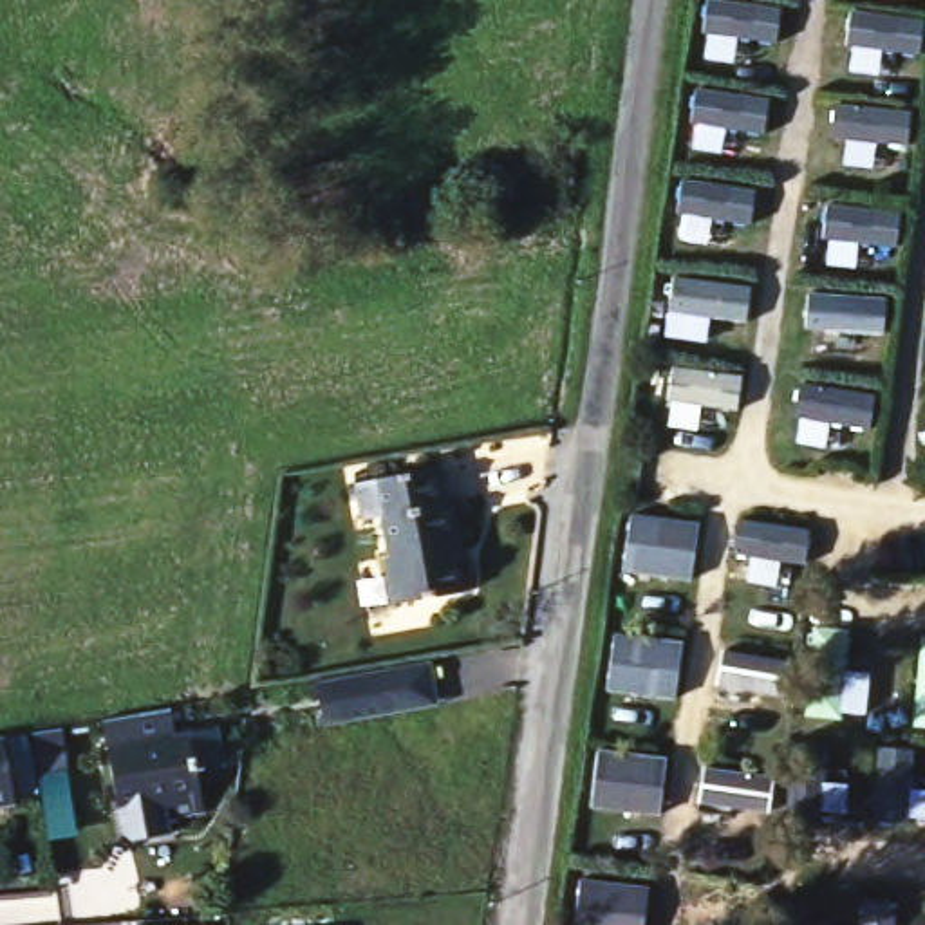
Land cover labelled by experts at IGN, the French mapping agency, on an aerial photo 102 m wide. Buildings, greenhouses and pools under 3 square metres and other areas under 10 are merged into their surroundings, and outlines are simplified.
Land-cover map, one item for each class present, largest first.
<instances>
[{"label":"agricultural land","instance_id":"1","mask_svg":"<svg viewBox=\"0 0 925 925\"><path fill-rule=\"evenodd\" d=\"M632 0H296L293 22L300 43L311 54V94L318 101V130L311 134V152L296 166V177L307 188L300 213L318 224V235H307L304 242L285 238L282 246L267 242L264 249L253 238L231 235L213 210L188 202V188L195 181V105L217 83L213 65L195 61L192 54V36L210 29L195 0H0V730L166 705L177 701L228 694L249 683V643L257 632H264L278 502L285 477V466L296 459H318L350 448L365 455V448L390 441L437 437L549 412L553 340L564 307L567 246L556 235H538L535 228L556 220L560 210L589 206V163L585 155L564 145L549 148L546 134L556 119V126L585 134L589 141L614 137ZM455 155H477L481 177L495 184V242H434L430 199L444 173L455 166Z\"/></svg>","mask_w":925,"mask_h":925},{"label":"herbaceous vegetation","instance_id":"2","mask_svg":"<svg viewBox=\"0 0 925 925\"><path fill-rule=\"evenodd\" d=\"M813 0H795V7H780L777 40L770 47L741 43L733 61L705 58L701 22L690 33L687 69L719 79L715 90L762 98L770 105L762 134H730L723 137V152L733 159H780V130L791 123L802 90V76L788 72L791 43L809 18ZM824 83L846 79L849 72L853 51L842 43V25L853 11L849 4L831 0H824ZM925 72V40L918 58L889 54L882 61V72L867 76L882 94H896L892 79H918ZM838 108L831 94L820 90L813 98V130L806 159L795 163V177L806 184L795 228L802 220L820 224V206L827 202L835 188H820L813 177L846 166V145L835 137ZM549 148L564 145L585 155L589 163V206L560 210L556 220L535 228L538 235H556L567 246L564 307L553 340L549 412L437 437L390 441L365 448V455L350 448L318 459H296L285 466V477H300L293 556L307 564V575L285 585L282 625L293 629L296 640L318 647L314 672H307L314 683L434 658L463 661V650L470 647L524 650L538 640L549 502L531 495L524 506L495 509L499 542L513 546L524 560L506 567L499 578L484 582L481 596L441 607L430 618V625L390 636L369 632L365 607L358 600V564L372 560L376 538L372 528L350 524V491L361 481L397 473L408 477L416 473V463H405V452H419V459L448 452L477 455V444L484 441L528 434H546L549 444H560V430H567L578 419L593 304L600 282L614 137L589 141L585 134L556 126V119L546 134ZM907 159V141L878 148L867 170L871 177L900 173ZM780 199L773 188H755L752 224H715L705 246H694L679 238L676 188L668 192V206L661 217L658 257L672 264L748 267L755 271V282L748 289L752 300L744 322H712L705 343L665 336V318L650 314V369L658 372L701 369L737 376V405L701 408L697 430L668 426V405L654 397L650 383L636 387L632 416L647 430V459L640 466V477L632 481L625 520H690L697 524V553L694 575L687 582L625 585L621 575L614 571L607 589L603 643L611 647V636L625 629L643 640H679L683 658L676 694L668 701L607 694V683H600L593 694L589 762L596 748H614V741L629 744L632 752L665 755L679 744L676 715L683 708V697L701 687L705 676L712 665L708 632L701 629L694 607L701 575L712 567H719L726 578V589L719 596L726 665L770 672L777 661L795 658V647L780 636L791 629V611L788 575L780 571L773 560L752 553H744L741 560L726 556L723 535L726 520L719 513L715 495L697 491L679 495L672 502L661 499L658 463L665 452H726L737 437L748 405H755L759 397L773 405L766 426V455L773 470L788 477L842 473L831 452H864L878 441V437L871 430H831L824 448L799 444V416L791 412V390H802L806 383L813 369L806 365L835 347L842 358L853 361H878L889 347L885 332L831 340L824 332H809L802 325V307L813 293V282L802 267L791 271L784 285H777V260L766 257L770 220ZM777 293L784 296L780 350L777 365L766 369L755 358V329L759 318L773 307ZM925 650V603L918 611H900L892 618L842 621H835L831 629V640L820 647L827 672L846 683L856 676L871 683L867 712L820 723L813 730L791 733V744L806 748L813 770L827 780L846 784V813L824 809L820 795H806L795 813L809 831L831 835L835 842L846 846L853 838L874 835L882 824H900L911 813V791H925V730L914 726V697L892 701V676L900 661ZM878 748L914 752V762L878 770ZM524 697L502 690L488 697L448 701L416 712H390L332 726L314 723L304 733L275 737L253 755V766L235 770L231 784L210 813V820L195 831H145L141 838H126L116 827V770L105 762V748H94L87 737L72 733L65 737V755L76 835L54 838L51 860L54 871L65 878H79V871L101 867L116 853L134 856L137 878L152 885L188 878L192 892L181 900V907L195 911L210 925H495L506 878V835L513 824ZM777 723V712H708V726L719 737L715 762L708 766L766 773V762L755 752L752 737ZM585 788L578 799L571 842L578 853L571 867L575 874L556 878L549 871L546 925H571L578 874L647 882V925H712L726 918V911L759 896L777 903L791 918V925H925V874L889 878L867 871L860 860L820 867L799 885H784L773 864L744 871L737 867V860L752 856L755 846L744 831L723 835L712 824H694L676 842H665L661 831L640 827L621 813H593L589 766L582 780ZM0 824L11 827V864H18V856H33L29 817H11V806L0 809Z\"/></svg>","mask_w":925,"mask_h":925},{"label":"building","instance_id":"3","mask_svg":"<svg viewBox=\"0 0 925 925\"><path fill-rule=\"evenodd\" d=\"M780 7H795V0H701V22L705 58L733 61L741 43L770 47L777 40ZM925 40V25L914 18H878L853 11L842 25V43L853 51L849 72L867 76L882 72V61L889 54L918 58ZM770 105L762 98L715 90L694 87L690 94V145L697 152H723V137L730 134H762ZM835 137L846 145V166L867 170L878 148L907 141V112H878L856 105L838 108ZM755 188L723 181H679L676 188L679 238L694 246H705L715 224H752ZM900 235V220L889 210L827 202L820 206V224L831 267H856L860 253L885 264ZM752 300L748 289L672 278L665 282V336L705 343L712 322H744ZM802 325L809 332H824L831 340L885 332L882 296L813 293L802 307ZM654 397L668 405V426L697 430L701 408L737 405V376L701 369L658 372L650 383ZM871 390L806 383L802 390H791V412L799 416V444L824 448L831 430H871ZM350 524L372 528L376 538L387 542V596L401 607L419 596H430L419 546V509L408 499V477L397 473L361 481L350 491ZM741 531L730 538L723 535L726 556L741 560L744 553H752L773 560L780 571L788 564H806L809 535L799 528L755 524L748 513H741ZM697 553V524L690 520H625L621 575L625 585L687 582L694 575ZM809 643L820 647L831 640V629H824L820 614L809 621ZM683 658L679 640H643L625 629L611 636V647L607 683V694L668 701L676 694ZM914 697V726L925 730V650L900 661L892 676V701ZM444 665H437L434 658L314 683L311 697L325 705V719L332 726L390 712H416L448 701L441 694ZM705 676L726 690H752L762 697L777 690V676L770 672L726 665H712ZM871 683L856 676L846 683L842 694L813 701L806 708V715L820 723L867 712ZM72 733L87 737L94 748H105V762L116 770V827L126 838H141L145 831H195L210 820V813L199 802V759L192 730L173 726V708L166 705L0 730V809L11 806L43 802L47 835L54 838L76 835L65 755V737ZM668 766L665 755L632 752L629 744L614 741V748H596L589 762V766L593 813H621L640 827L661 831L668 817V806L661 802ZM914 762V752L878 748V770ZM687 806L697 813L694 824H712L723 835L744 831L773 813V780H766V773L708 766L697 762V780L687 795ZM820 795L824 809L846 813V784L827 780L820 784ZM911 820L925 824V791H911ZM65 885L76 918L137 911V925H210L195 911L181 907L177 914H170L166 900L137 903V878L134 856L116 853L101 867L79 871V878H65ZM571 925H647V882L578 874ZM58 918V903L51 896L0 900V925H4Z\"/></svg>","mask_w":925,"mask_h":925},{"label":"impervious surface","instance_id":"4","mask_svg":"<svg viewBox=\"0 0 925 925\"><path fill-rule=\"evenodd\" d=\"M668 0H632L614 137L600 282L593 304L578 419L567 430H560V444H549L546 434H528L484 441L477 444V455L448 452L419 459V452H405V463H416V473L408 477V499L419 509V546L430 596H419L401 607L387 596V542L376 538L372 560L358 564V600L365 607L369 632L390 636L430 625V618L441 607L481 596L484 582L499 578L506 567L524 560L513 546L499 542L495 509L524 506L531 495L549 502L538 640L524 650L470 647L463 650V661L434 658L437 665H444L441 694L448 701L488 697L502 690L524 697L513 824L506 835V878L495 925H546L549 871L585 632V603L593 582V553L607 484V444L614 430L621 383V343L629 322ZM166 705L173 708V726L192 730L199 759V802L210 813L231 784L235 770L253 766V755L275 737L267 715L246 712L192 719L177 701ZM51 896L58 903V918L4 925H137V911L76 918L65 885Z\"/></svg>","mask_w":925,"mask_h":925},{"label":"brushwood","instance_id":"5","mask_svg":"<svg viewBox=\"0 0 925 925\"><path fill-rule=\"evenodd\" d=\"M701 22V0H668L629 322L621 343V383L614 430L607 444V484L593 553V582L585 603V632L549 871L556 878L575 874L571 867L578 853L571 842L578 799L585 788L582 780L589 766V762L593 694L600 683H607L611 647L603 643L607 589L614 571L621 575L625 520L632 481L640 477V466L647 459V430L632 416L636 387L650 383L658 372L650 369V314L665 318V282L672 278L748 289L755 282V271L748 267L672 264L658 257L661 217L668 206V192L676 188L679 181H723L755 188H773L780 199L784 184L795 177V163L780 159H733L723 152H697L690 145V94L694 87L715 90L719 79L687 69L690 33ZM849 4L853 11L878 18H914L925 25V0H831ZM896 94H882L867 76L849 72L846 79L824 83L820 90L831 94L838 108L856 105L878 112H907V159L900 173L871 177L867 170L846 166L813 177L820 188H835L827 202L889 210L900 220V235L885 264L860 253L856 267H831L820 224L802 220L795 228V238L806 249L802 267L813 282V293L882 296L885 332L889 347L878 361H853L842 358L835 347L806 365L813 369L806 383L871 390V430L878 437L889 430L892 419V340L903 325L907 260L921 238L925 213V72L918 79H892ZM842 473H849L860 484H885L878 441L864 452H831ZM896 481L925 495V452L918 459L900 455L896 470ZM300 477H285L278 502L264 632H257L249 643V683L228 694L177 701L192 719L246 712L267 715L275 737L304 733L314 723L332 726L325 719V705L311 697L314 683L307 672H314L318 647L296 640L293 629L282 625L285 585L307 575V564L293 556ZM11 817H29L33 856H18V864H11V827L0 824V900L51 896L65 885V878L54 871L51 860L54 838L47 835L43 802L11 806Z\"/></svg>","mask_w":925,"mask_h":925},{"label":"pervious surface","instance_id":"6","mask_svg":"<svg viewBox=\"0 0 925 925\"><path fill-rule=\"evenodd\" d=\"M824 0H813L809 18L791 43L788 72L802 76V90L791 123L780 130V159L795 163L806 159L813 130V98L820 90L824 83ZM806 184L795 177L784 184L780 199L770 220L766 257L777 260V285H784L791 271L802 267L806 249L795 238V228ZM892 419L889 430L878 437V441L885 484H860L849 473H842L788 477L773 470L766 455V426L773 405L759 397L755 405H748L737 437L726 452H665L658 463L661 499L672 502L679 495L697 491L715 495L719 513L726 520L723 535L730 538L741 531V513H748L755 524L799 528L809 535L806 564H817L824 556V564L835 567V585L846 593L842 621L892 618L900 611H918L925 603V495L896 481V470L900 455L918 459L925 452V213L921 238L907 260L903 325L892 340ZM784 296L777 293L773 307L759 318L755 329V358L766 369L777 365L780 350ZM726 589V578L719 567H712L701 575L694 607L701 629L708 632L712 665H726L719 596ZM788 705V697L777 690L762 697L752 690H726L705 676L701 687L683 697V708L676 715L679 744L665 755L668 766L661 802L668 806V817L661 831L665 842H676L694 824L697 813L687 806V795L697 780V762L708 766L715 762L719 737L708 726V712H777ZM820 867L860 860L867 871L889 878L925 874V824L911 820V813L900 824H882L874 835L853 838L846 846L835 842L813 849ZM192 892L188 878L152 885L137 878V903L166 900L170 914H177L181 907V900Z\"/></svg>","mask_w":925,"mask_h":925},{"label":"coniferous trees","instance_id":"7","mask_svg":"<svg viewBox=\"0 0 925 925\"><path fill-rule=\"evenodd\" d=\"M210 29L192 36V54L195 61L213 65L217 83L195 105V181L188 188V202L213 210L231 235L253 238L264 249L267 242L282 246L285 238L304 242L307 235H318V224L300 213L307 188L296 177V166L311 152V134L318 130V101L311 94V54L300 43L293 22L296 0H195ZM434 242H495V184L481 177L477 155H455V166L444 173L430 199Z\"/></svg>","mask_w":925,"mask_h":925},{"label":"deciduous trees","instance_id":"8","mask_svg":"<svg viewBox=\"0 0 925 925\"><path fill-rule=\"evenodd\" d=\"M788 575L791 611V629L780 636L795 647V658L777 661L770 672L777 676V690L788 697V705L777 712V723L752 737L755 752L766 762V780H773V813L744 831L755 846L752 856L737 860V867L744 871L773 864L784 885H799L820 867L813 849L835 842L831 835L809 831L795 813L806 795H820V784L827 780L813 770L806 748L791 744V733L813 730L820 723L806 715V708L813 701L842 694L846 683L827 672L820 647L809 643V621L820 614L824 629H831L835 621H842L846 593L835 585V567L824 564V556L817 564H788L780 571ZM712 925H791V918L777 903L759 896L726 911V918Z\"/></svg>","mask_w":925,"mask_h":925}]
</instances>
